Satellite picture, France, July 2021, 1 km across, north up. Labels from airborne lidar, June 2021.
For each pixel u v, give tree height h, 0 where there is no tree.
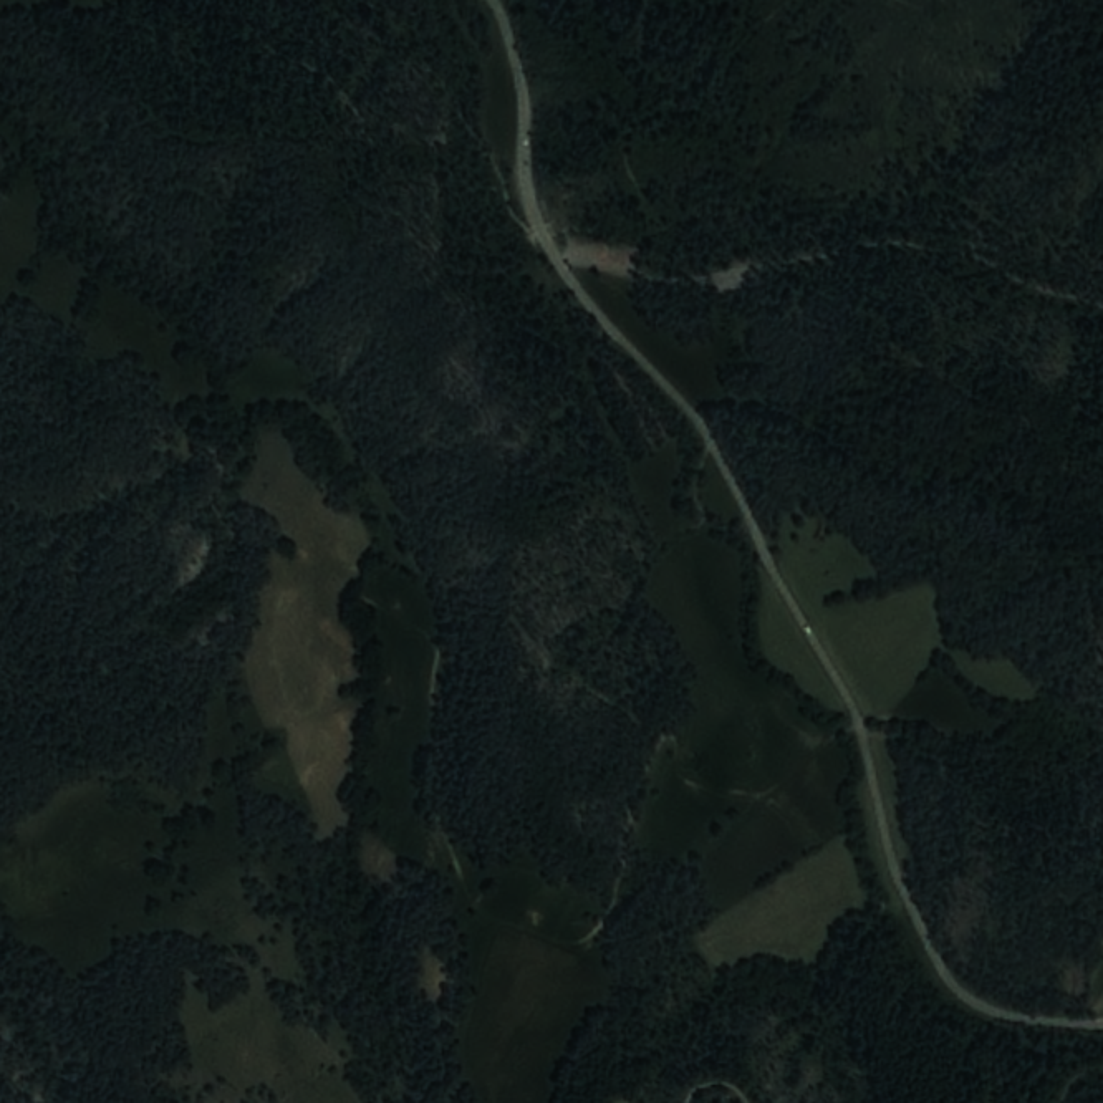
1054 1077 15
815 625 0
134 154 18
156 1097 10
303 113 9
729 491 0
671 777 0
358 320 7
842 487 13
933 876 20
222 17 17
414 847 0
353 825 16
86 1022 14
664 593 0
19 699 18
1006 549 17
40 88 8
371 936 10
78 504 10
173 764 15
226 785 6
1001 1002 12
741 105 17
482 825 17
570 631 10
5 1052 7
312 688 0
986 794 13
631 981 12
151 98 10
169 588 11
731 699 0
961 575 6
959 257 10
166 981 16
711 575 0
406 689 0
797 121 9
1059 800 20
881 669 0
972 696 15
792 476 15
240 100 15
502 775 11
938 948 14
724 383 17
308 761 0
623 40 30
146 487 10
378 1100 12
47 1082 7
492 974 0
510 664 15
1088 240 16
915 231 16
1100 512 8
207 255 15
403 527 14
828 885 0
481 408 11
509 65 0
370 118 20
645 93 22
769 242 12
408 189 26
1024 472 14
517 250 16
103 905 0
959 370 11
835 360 13
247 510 17
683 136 9
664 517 0
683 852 0
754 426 28
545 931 0
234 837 0
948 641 7
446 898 17
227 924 0
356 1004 14
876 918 25
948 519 16
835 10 11
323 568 0
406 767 0
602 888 11
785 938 0
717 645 0
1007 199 6
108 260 16
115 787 9
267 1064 0
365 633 22
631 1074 17
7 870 0
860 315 11
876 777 0
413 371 8
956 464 13
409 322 24
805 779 0
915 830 16
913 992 12
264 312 15
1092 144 20
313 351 10
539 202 0
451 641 18
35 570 18
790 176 7
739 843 0
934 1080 19
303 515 0
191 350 24
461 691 16
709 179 15
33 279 17
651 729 8
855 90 7
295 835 19
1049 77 20
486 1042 0
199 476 18
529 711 15
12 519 16
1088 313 11
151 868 15
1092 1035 9
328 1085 0
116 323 0
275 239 8
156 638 9
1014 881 15
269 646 0
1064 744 7
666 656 22
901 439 15
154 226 15
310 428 18
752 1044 10
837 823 0
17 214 0
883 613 0
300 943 8
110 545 17
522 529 9
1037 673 16
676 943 17
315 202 11
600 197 8
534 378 15
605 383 24
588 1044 19
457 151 11
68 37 15
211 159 10
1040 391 7
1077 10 16
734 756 0
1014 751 10
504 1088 0
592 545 15
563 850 11
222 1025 0
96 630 17
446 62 8
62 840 0
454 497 8
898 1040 21
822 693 0
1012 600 19
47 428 15
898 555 11
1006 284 17
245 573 22
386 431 11
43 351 17
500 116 0
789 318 12
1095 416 21
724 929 0
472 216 8
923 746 14
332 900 16
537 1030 0
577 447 16
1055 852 11
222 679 9
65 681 9
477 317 18
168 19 9
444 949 7
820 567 0
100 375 12
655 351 0
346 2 21
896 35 0
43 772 14
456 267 24
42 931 0
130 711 16
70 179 14
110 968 13
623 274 0
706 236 19
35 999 15
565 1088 18
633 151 12
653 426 14
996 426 11
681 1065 10
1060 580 18
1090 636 20
